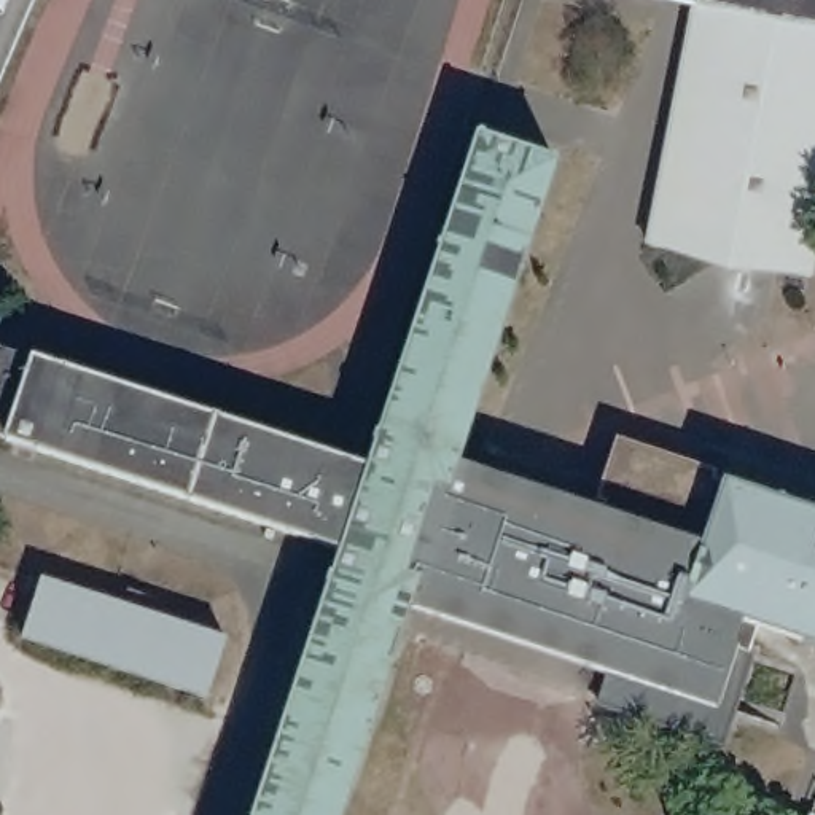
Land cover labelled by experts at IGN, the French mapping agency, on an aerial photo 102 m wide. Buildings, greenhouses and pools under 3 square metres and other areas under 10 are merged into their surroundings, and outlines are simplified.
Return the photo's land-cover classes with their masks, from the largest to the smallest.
<instances>
[{"label":"impervious surface","instance_id":"1","mask_svg":"<svg viewBox=\"0 0 815 815\"><path fill-rule=\"evenodd\" d=\"M38 0H0V86ZM490 0H51L16 76L10 108L0 121V220L10 223L13 255L25 271L19 283L29 293V302L19 312L0 318V344L13 350H48L153 388H166L366 455L411 331V318L474 127L487 124L493 131L532 140L538 146H554L583 140L586 150L602 159V166L583 201V213L576 220L557 283L544 302L541 322L532 334L519 382L500 414V423L493 427L490 449L497 458L519 465L516 474L589 500L595 487L605 481L602 468L608 462L614 436H630L697 462L704 455H713L735 478L815 503V363L802 360L793 366L790 408L770 417L764 414V404L748 376L739 388L745 417L739 423L688 411L678 401V392L672 385V366L681 369L688 382L713 376V363L726 357L735 344V331L726 322V296L735 302H751L758 271L707 264L684 283L662 290L656 274L640 261V248L649 242V210L691 16L688 6L659 0H586L595 16L614 10V16L621 19L627 13L653 19L656 32L646 51L640 86L627 96L621 115L602 118L586 108H573L560 99L538 92L525 96L516 86L462 70L471 60ZM318 357H331V369L337 372V385L331 395H315L280 382L290 369ZM6 500H19L45 513L70 516L118 532L143 525L140 538L150 548L201 557L210 560L216 570L229 573L239 583L242 599L258 621L223 726L197 793L194 815H248L283 704L290 697V684L309 637V624L328 567L334 560V548L309 538H267L261 525L236 522L83 468H70L54 458L13 449L0 439V506ZM748 653L758 665L796 675L786 707L777 710L770 704L755 707L742 700V713H735L729 726L764 732L783 729V735L799 748L805 761V796L796 802L793 812L799 815H815V637L793 640L755 627L748 637ZM474 637H449L439 643H427L408 672L411 678H417V694H423V713H414L411 751L401 767L395 805L388 815H589L586 809H579L589 793L583 780L586 767L579 764V758L592 751V735H586V716L592 713L586 707L592 704L589 688L551 684L532 672H513L509 665L474 656L468 653V643Z\"/></svg>","mask_w":815,"mask_h":815},{"label":"building","instance_id":"2","mask_svg":"<svg viewBox=\"0 0 815 815\"><path fill-rule=\"evenodd\" d=\"M688 6L691 16L649 210V242L656 248L678 252L707 264L758 271L790 277L815 274V0H659ZM560 159L554 146H538L532 140L493 131L487 124L474 127L411 318V331L366 455L166 388H153L48 350H13L0 344V439L13 449L54 458L70 468H83L236 522L261 525L267 538H309L334 548V560L328 567L309 624V637L290 684V697L283 704L248 815H344L350 793L360 780L369 735L388 700L395 646L404 634H427V643H439L449 637H474L468 643V653L474 656L509 665L513 672H532L551 684L589 688L592 704L586 707L592 713L605 723L649 719L662 729L659 735L681 739L684 732H707L719 748L726 745L729 726L735 713H742V700L745 684L758 665L748 653V637L755 627L793 640L815 637V503L735 478L713 455H704L697 462L630 436H614L608 462L602 468L605 481L595 487L589 500L516 474L465 458V443L478 417V401L490 379V363L500 347L506 315L516 296L513 277L519 271L522 252L532 248L541 210H548L554 201L551 181ZM25 637L35 643L92 662H105L111 669L134 672L140 678L162 681L169 688H181L204 697L216 675L226 637L204 624L153 611L76 583L41 576L22 627Z\"/></svg>","mask_w":815,"mask_h":815},{"label":"herbaceous vegetation","instance_id":"3","mask_svg":"<svg viewBox=\"0 0 815 815\"><path fill-rule=\"evenodd\" d=\"M51 0H38L0 86V121L10 108L16 76ZM595 16L586 0H490L471 60L462 70L516 86L525 96L538 92L560 99L573 108H586L602 118L621 115L627 96L640 86L646 51L656 32L653 19L627 13L621 19L634 41V60L618 73V83L611 89H599L586 80L567 83L560 76L563 38L576 35ZM560 159L551 181L554 201L548 210H541L532 248L522 252L519 271L513 277L516 296L506 315L500 347L490 363V379L478 401V417L465 443V458L516 474L519 465L497 458L490 449L493 427L500 423V414L519 382L532 334L541 322L544 302L557 283L576 220L583 213V201L602 166V159L586 150L583 140L554 146ZM25 271L13 255L10 223L0 220V296L13 280L19 283ZM640 261L656 274L662 290L684 283L707 264L678 252L656 248L649 242L640 248ZM726 322L735 331V344L726 357L713 363V376L688 382L681 369L672 366V385L678 392V401L688 411L739 423L745 417L739 388L748 376L764 404V414L770 417L790 408L793 366L802 360L815 363V274L790 277L758 271L751 302H735L726 296ZM280 382L315 395H331L337 385V372L331 369V357H318L290 369ZM143 525L118 532L70 516L45 513L19 500H6L0 506V576L10 583L13 592L6 621L13 627H22L41 576L76 583L153 611L204 624L226 637L216 675L204 697V716L223 726L258 621L242 599L239 583L229 573L216 570L210 560L201 557L150 548L140 538ZM427 643V634H404L395 646L388 700L369 735L360 780L350 793L344 815H388L395 805L401 767L411 751L414 713H423V694H417V678H411L408 672ZM605 723L592 713L586 716V735H592V751L579 758V764L586 767L583 780L589 793L579 809H586L589 815H656L640 812L630 802V790L614 783V770L605 761L608 735H599ZM719 774L745 777L758 799H774L783 812H793L796 802L805 796V761L799 748L783 735V729L764 732L729 726L726 745L719 748L713 751Z\"/></svg>","mask_w":815,"mask_h":815},{"label":"pervious surface","instance_id":"4","mask_svg":"<svg viewBox=\"0 0 815 815\"><path fill-rule=\"evenodd\" d=\"M13 592L10 583L0 576V815H194L197 793L223 726L204 716L162 700L137 697L115 684H102L92 678L41 665L10 646L6 621Z\"/></svg>","mask_w":815,"mask_h":815},{"label":"deciduous trees","instance_id":"5","mask_svg":"<svg viewBox=\"0 0 815 815\"><path fill-rule=\"evenodd\" d=\"M634 60V41L621 19L614 16V10L595 16L576 35L563 38L560 76L567 83L586 80L599 89H611L618 83V73ZM29 302V293L19 283L13 280L0 296V318L19 312ZM662 729L649 719L605 723L599 735H608L605 761L614 770V783L630 790V802L640 812L656 815H799L793 812H783L774 799H758L745 777L719 774L713 751L719 748L707 732H684L681 739L659 735Z\"/></svg>","mask_w":815,"mask_h":815},{"label":"brushwood","instance_id":"6","mask_svg":"<svg viewBox=\"0 0 815 815\"><path fill-rule=\"evenodd\" d=\"M10 646L41 665L92 678L102 684H115L137 697L162 700L204 716V697L181 688H169L162 681L140 678L134 672L111 669L105 662H92L35 643L25 637L22 627H13L6 621ZM796 675L758 665L745 684L742 700L755 707L770 704L777 710L786 707Z\"/></svg>","mask_w":815,"mask_h":815}]
</instances>
